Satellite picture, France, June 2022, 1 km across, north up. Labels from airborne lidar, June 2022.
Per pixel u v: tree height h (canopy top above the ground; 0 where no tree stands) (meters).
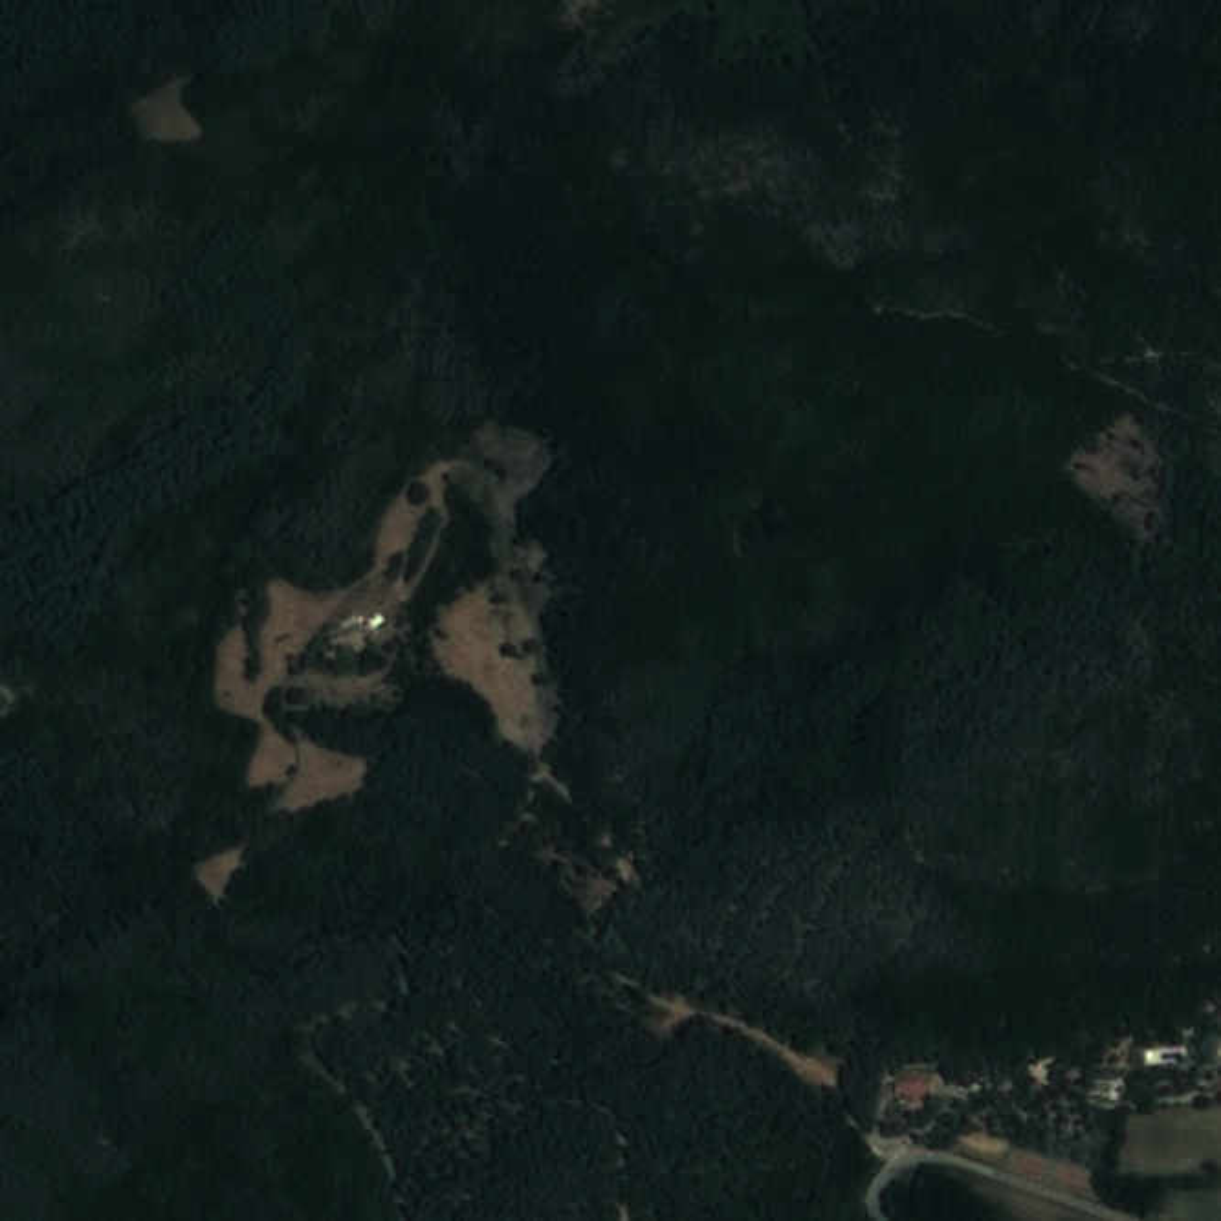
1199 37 12
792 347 10
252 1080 17
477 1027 19
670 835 17
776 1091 23
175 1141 18
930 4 13
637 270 15
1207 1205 0
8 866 19
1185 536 15
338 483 16
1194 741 7
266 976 21
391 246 14
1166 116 13
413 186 14
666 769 14
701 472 22
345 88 8
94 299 10
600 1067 25
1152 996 14
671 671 14
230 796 13
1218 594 9
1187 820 15
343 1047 21
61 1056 15
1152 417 14
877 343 12
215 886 0
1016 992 15
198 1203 20
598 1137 15
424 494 11
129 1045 18
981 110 8
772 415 10
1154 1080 18
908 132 9
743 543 7
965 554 17
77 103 13
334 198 12
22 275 11
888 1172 0
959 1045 19
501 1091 27
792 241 9
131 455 11
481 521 15
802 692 20
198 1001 20
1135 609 20
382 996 17
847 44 14
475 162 19
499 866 14
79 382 15
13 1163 14
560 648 21
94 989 19
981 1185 0
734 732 27
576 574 26
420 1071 19
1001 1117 10
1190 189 12
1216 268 13
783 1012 11
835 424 9
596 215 17
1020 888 10
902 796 17
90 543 26
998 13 14
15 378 11
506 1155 23
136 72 22
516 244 17
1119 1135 15
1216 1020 14
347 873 13
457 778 19
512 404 19
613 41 0
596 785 16
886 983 16
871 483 15
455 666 0
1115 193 9
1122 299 10
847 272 8
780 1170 14
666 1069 25
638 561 19
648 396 15
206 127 9
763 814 20
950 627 21
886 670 25
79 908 17
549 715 0
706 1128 22
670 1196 19
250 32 24
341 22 9
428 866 13
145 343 11
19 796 25
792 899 14
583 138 18
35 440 16
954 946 12
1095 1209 0
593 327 19
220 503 12
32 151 15
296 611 0
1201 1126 0
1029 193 11
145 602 9
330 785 0
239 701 0
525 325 21
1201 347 12
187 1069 16
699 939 10
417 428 12
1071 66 10
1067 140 8
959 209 10
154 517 8
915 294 9
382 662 13
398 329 6
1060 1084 13
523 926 32
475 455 0
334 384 15
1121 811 9
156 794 10
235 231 18
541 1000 22
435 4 10
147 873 17
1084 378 14
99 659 10
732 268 6
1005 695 15
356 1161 12
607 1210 16
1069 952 14
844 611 16
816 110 13
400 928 9
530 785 20
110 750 13
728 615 10
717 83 12
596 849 22
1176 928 15
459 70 15
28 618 32
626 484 19
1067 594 18
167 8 21
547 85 16
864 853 10
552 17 14
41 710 10
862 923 12
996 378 14
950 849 11
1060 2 11
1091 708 9
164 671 13
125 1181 15
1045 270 9
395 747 14
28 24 29
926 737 15
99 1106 14
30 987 22
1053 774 8
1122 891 10
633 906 19
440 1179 9
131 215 9
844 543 16
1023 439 11
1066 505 18
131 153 14
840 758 19
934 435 14
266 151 8
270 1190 17
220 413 25
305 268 16
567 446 21
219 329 19
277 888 13
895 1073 11
